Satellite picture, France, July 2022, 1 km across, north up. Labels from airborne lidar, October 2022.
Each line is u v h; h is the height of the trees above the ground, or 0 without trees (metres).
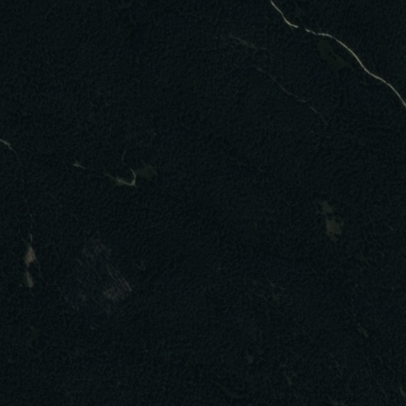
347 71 8
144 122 19
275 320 27
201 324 20
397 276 6
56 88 27
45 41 19
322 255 21
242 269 26
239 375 16
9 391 17
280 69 17
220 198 17
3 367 20
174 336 12
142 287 19
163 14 20
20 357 17
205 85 14
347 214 18
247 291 25
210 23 24
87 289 26
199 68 14
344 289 23
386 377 29
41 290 15
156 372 32
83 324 22
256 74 23
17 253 16
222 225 20
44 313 24
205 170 21
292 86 12
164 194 18
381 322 22
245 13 21
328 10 18
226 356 21
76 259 7
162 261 19
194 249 19
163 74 18
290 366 12
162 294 21
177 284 24
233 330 23
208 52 25
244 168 14
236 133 20
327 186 21
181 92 25
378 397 21
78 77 18
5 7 12
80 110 20
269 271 27
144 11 21
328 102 23
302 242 18
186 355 22
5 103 23
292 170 12
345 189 13
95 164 13
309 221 24
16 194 16
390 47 25
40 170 20
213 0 20
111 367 13
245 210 19
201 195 17
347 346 24
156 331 13
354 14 17
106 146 7
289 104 22
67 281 18
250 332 18
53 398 20
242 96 14
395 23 19
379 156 11
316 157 27
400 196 9
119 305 22
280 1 13
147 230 19
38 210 17
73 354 22
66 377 24
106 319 24
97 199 24
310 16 16
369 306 19
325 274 23
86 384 19
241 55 17
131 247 20
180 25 20
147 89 24
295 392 17
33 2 22
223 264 26
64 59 21
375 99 14
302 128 17
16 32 19
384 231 17
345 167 12
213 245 27
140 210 24
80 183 23
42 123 12
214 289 19
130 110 23
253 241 19
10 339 19
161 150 21
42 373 17
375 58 17
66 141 26
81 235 15
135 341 18
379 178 16
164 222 31
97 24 28
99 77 15
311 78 29
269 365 14
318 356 17
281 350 17
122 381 25
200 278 20
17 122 23
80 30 22
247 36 14
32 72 19
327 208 0
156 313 15
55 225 18
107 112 14
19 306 24
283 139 17
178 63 20
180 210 20
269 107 14
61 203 17
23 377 24
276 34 19
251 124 23
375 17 18
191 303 23
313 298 26
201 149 31
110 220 22
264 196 28
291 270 18
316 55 22
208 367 27
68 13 25
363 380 17
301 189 26
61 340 17
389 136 16
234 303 29
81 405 16
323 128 22
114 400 23
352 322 21
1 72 24
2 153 16
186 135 27
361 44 18
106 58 25
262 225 22
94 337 22
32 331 0
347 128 13
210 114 21
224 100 16
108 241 18
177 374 25
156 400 19
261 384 10
